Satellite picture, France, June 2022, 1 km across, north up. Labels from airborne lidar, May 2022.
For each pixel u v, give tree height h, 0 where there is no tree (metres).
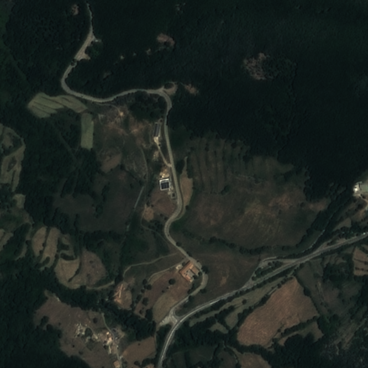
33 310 20
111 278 10
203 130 16
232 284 0
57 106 0
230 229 0
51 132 8
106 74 26
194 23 24
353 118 18
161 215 8
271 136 16
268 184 0
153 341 0
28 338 17
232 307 6
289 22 9
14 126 8
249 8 23
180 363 0
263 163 0
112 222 0
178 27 29
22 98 18
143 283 10
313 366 20
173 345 5
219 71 14
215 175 0
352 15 25
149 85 16
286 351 11
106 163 0
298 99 16
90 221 0
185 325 16
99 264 0
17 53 17
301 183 0
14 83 14
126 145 0
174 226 0
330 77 20
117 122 0
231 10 23
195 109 16
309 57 18
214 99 15
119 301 0
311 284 0
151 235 0
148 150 0
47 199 14
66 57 19
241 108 20
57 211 15
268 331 0
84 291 9
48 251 0
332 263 0
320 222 13
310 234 9
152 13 16
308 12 20
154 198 0
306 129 19
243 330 0
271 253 0
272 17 15
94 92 15
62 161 6
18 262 13
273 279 13
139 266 0
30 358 24
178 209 0
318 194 14
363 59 14
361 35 12
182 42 24
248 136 14
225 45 15
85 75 25
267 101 20
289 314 0
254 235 0
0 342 8
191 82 7
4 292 16
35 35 17
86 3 13
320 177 16
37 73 29
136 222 0
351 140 19
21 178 8
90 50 14
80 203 0
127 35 14
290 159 17
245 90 19
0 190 9
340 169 18
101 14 21
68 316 0
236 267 0
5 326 16
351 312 9
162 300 0
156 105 12
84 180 8
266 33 18
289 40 16
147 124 0
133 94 12
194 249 0
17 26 17
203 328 18
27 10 15
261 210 0
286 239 0
